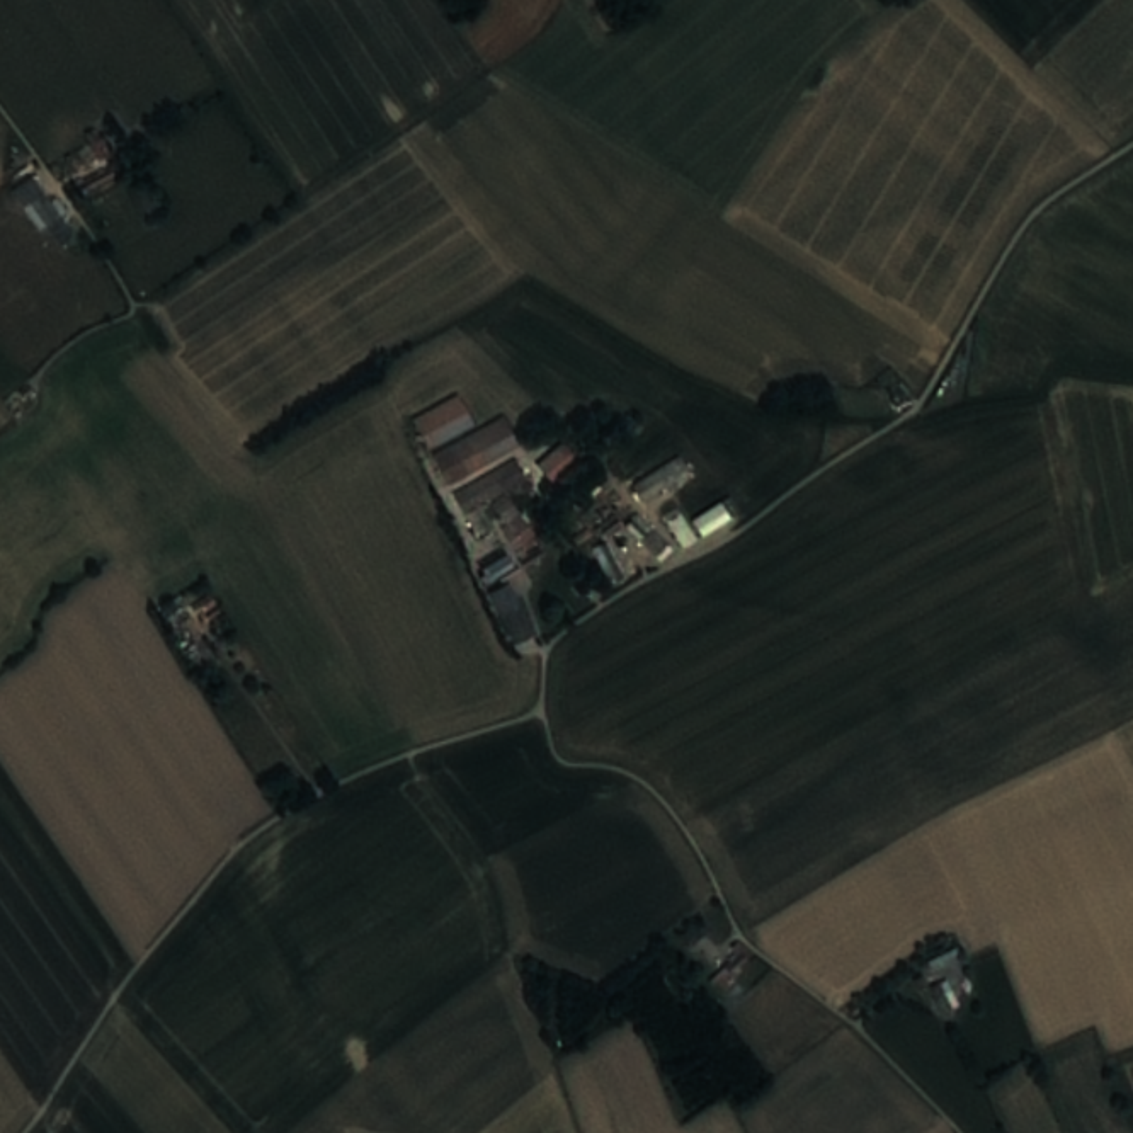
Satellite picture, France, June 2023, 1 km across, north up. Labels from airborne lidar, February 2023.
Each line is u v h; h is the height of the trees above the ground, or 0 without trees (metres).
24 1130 0
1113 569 0
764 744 0
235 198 0
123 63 0
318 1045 0
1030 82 0
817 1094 0
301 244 0
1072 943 0
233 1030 0
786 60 0
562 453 0
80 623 0
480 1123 0
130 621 0
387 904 0
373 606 0
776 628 0
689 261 0
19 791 0
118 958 0
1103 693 0
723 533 0
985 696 0
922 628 0
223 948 0
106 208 0
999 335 0
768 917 0
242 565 0
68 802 0
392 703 0
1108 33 0
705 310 0
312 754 0
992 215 0
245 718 0
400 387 0
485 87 0
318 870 0
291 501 0
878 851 0
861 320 0
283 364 0
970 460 0
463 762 0
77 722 0
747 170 0
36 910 0
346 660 0
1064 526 0
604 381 0
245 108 0
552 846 0
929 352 0
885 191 0
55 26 0
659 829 0
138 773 0
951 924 0
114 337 0
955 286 0
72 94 0
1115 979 0
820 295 0
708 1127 0
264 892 0
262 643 0
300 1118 0
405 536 0
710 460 0
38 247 0
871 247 0
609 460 0
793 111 0
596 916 0
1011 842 0
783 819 0
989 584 0
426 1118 0
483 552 0
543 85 0
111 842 0
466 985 0
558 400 0
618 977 9
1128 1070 0
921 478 0
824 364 0
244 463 0
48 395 0
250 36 0
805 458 0
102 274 0
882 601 0
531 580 0
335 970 0
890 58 0
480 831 0
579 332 0
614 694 0
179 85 0
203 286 0
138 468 0
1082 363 0
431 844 0
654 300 0
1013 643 0
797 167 0
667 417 0
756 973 0
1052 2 0
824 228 0
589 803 0
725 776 0
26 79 0
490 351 0
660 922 0
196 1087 0
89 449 0
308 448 0
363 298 0
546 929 0
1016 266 0
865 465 0
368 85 0
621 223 0
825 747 0
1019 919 0
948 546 0
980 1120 0
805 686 0
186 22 0
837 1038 0
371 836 0
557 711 0
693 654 0
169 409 0
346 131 0
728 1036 17
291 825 0
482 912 0
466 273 0
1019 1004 0
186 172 0
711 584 0
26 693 0
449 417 0
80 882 0
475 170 0
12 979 0
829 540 0
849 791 0
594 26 0
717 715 0
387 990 0
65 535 0
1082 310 0
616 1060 0
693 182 0
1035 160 0
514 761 0
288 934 0
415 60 0
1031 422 0
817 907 0
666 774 0
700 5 0
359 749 0
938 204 0
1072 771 0
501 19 0
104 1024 0
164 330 0
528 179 0
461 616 0
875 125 0
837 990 0
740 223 0
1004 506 0
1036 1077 15
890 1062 0
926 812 0
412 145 0
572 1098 0
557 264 0
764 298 0
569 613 6
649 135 0
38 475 0
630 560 0
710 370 0
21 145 0
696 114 0
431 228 0
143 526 0
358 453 0
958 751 0
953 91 0
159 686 0
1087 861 0
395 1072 0
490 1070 0
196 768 0
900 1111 0
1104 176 0
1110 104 0
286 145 0
